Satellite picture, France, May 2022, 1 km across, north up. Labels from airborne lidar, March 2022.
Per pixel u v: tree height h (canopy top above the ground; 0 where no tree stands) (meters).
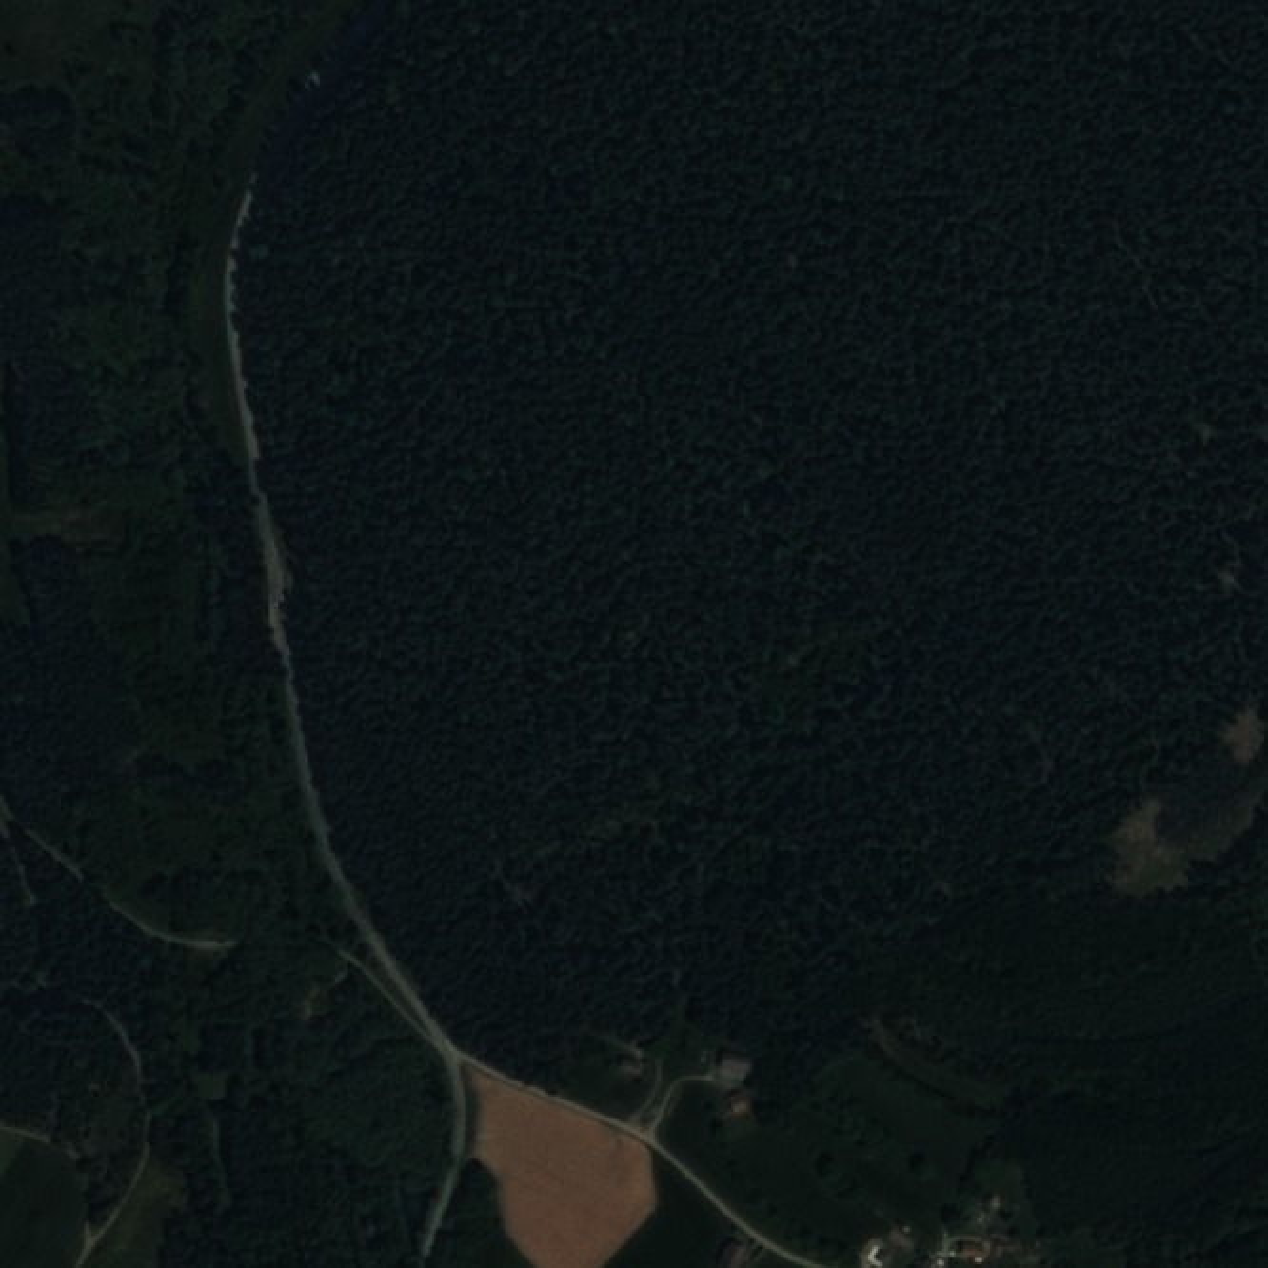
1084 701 33
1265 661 19
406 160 30
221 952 0
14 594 0
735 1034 17
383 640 31
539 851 11
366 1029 27
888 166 31
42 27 0
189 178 0
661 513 29
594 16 27
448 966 29
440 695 31
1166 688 31
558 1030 27
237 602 30
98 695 24
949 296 37
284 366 24
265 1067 18
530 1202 0
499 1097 0
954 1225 20
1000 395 30
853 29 30
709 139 21
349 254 26
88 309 33
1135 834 0
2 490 0
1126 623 35
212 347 0
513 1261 0
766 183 35
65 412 36
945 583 27
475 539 31
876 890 9
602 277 34
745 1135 0
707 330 32
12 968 29
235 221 0
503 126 32
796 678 13
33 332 38
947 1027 10
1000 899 16
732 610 37
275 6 24
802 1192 0
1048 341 30
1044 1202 10
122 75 0
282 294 27
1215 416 24
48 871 29
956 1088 0
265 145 0
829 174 28
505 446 31
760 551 12
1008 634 34
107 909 26
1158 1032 11
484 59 32
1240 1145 11
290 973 23
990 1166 13
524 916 26
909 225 28
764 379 30
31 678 26
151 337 32
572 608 31
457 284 31
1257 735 0
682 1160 0
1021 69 23
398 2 31
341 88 33
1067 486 31
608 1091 0
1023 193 31
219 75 24
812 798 33
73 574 26
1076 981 13
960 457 34
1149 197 30
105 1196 10
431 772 29
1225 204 35
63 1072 9
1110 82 37
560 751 33
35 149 30
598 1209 0
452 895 30
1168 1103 16
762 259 29
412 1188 13
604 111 34
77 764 24
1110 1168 11
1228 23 32
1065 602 29
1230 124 35
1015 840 14
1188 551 19
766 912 26
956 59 30
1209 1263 10
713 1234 0
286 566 0
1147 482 30
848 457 30
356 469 36
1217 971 12
